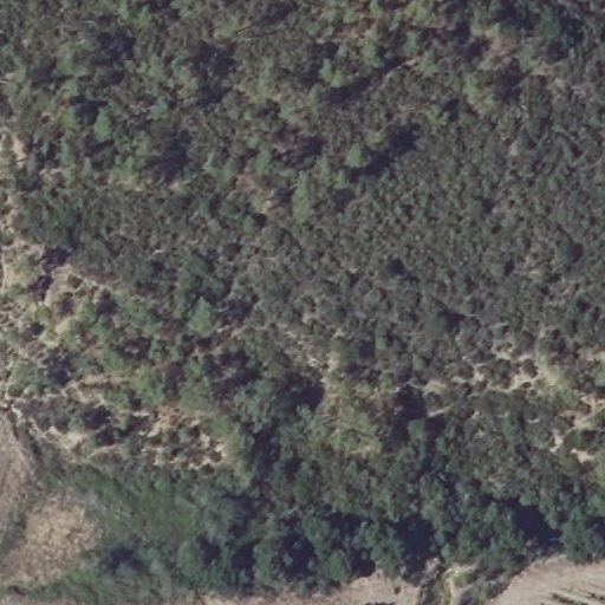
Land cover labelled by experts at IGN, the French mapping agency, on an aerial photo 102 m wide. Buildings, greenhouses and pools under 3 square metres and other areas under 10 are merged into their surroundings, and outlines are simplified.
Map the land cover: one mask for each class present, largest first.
<instances>
[{"label":"brushwood","instance_id":"1","mask_svg":"<svg viewBox=\"0 0 605 605\"><path fill-rule=\"evenodd\" d=\"M0 414L5 418L14 414L19 425L28 423L38 442L59 444L66 463L85 466L80 473L64 477L69 487H73L78 494H97L99 499L85 513V518L102 529V539L95 548L80 553L83 560L102 565L111 558L116 548H128L142 558L149 548H158V541H165L175 551H180L182 541H189L194 546L203 534L215 544L227 541L232 555L241 546H258L260 541L269 544L277 551L281 546V536H286V518H303L307 510L314 508L317 518L326 520L340 534H354L357 527H392L395 536L402 541V558L406 565L404 579L418 588V605H447L449 588L444 584V574L449 567L442 555V548L449 546L454 555L458 551V532L466 520V515H461L458 499H463L470 501V508L496 506L499 513L510 510L515 529L522 532L520 544L527 546L525 555L513 558L510 570L492 567L487 562L473 570L468 574H461L456 581L458 591L463 593L458 605H489L510 586V581L518 574L525 572L529 562L562 553L560 534L548 527L539 510L541 480H558L560 489L577 501H586L598 487L605 489V0H0Z\"/></svg>","mask_w":605,"mask_h":605},{"label":"deciduous trees","instance_id":"2","mask_svg":"<svg viewBox=\"0 0 605 605\"><path fill-rule=\"evenodd\" d=\"M539 510L548 527L560 534L562 553L574 565H591L605 560V489L598 487L586 501H577L560 489L558 480H541ZM461 515H466V520L458 532V551L454 555L449 546L442 548V555L449 567L470 562L473 570L487 562L492 567L510 570L513 558L525 555L527 546L520 544L522 532L515 529L510 510L499 513L496 506L470 508V501L463 499H458ZM373 570L383 572L388 579H404L406 565L402 558V541L395 536L392 527H357L354 534H340L326 520L317 518L314 508L307 510L303 518H286V536H281V546L277 551L269 544L260 541L258 546H241L232 555L227 541L215 544L203 534L194 546L189 541H182L180 551H175L165 541H158V548H149L142 558L128 548H116L111 558L102 565L83 560L80 553L73 555L61 579L43 586H24V600H69L73 605H132L137 598L144 600L149 598V593H158L161 586H168L170 581L173 586L189 588L191 593H217L220 598L232 600L253 598L255 584L274 586L277 581H288L291 591L298 598L307 600L314 591L331 596L333 591L352 584L359 577L373 574Z\"/></svg>","mask_w":605,"mask_h":605},{"label":"herbaceous vegetation","instance_id":"3","mask_svg":"<svg viewBox=\"0 0 605 605\"><path fill-rule=\"evenodd\" d=\"M85 466L66 463L59 444L38 442L28 423L19 425L14 414L5 418L0 414V605H73L69 600H24V586H43L61 579L73 555L80 553L95 548L102 539V529L85 518V513L99 499L97 494H78L73 487H69L64 477L80 473ZM132 605H418V588L404 579H388L383 572L373 570V574L359 577L352 584L333 591L331 596L314 591L307 600L298 598L291 591L288 581H277L274 586L255 584L253 598L232 600L220 598L217 593H191L189 588L173 586L170 581L168 586H161L158 593H149V598L144 600L137 598Z\"/></svg>","mask_w":605,"mask_h":605},{"label":"vineyard","instance_id":"4","mask_svg":"<svg viewBox=\"0 0 605 605\"><path fill-rule=\"evenodd\" d=\"M489 605H605V560L591 565H574L562 553L529 562L525 572L518 574L510 581V586ZM473 570L470 562L449 567L444 574V584L449 588L447 605H458L463 593L458 591L456 581L461 574H468Z\"/></svg>","mask_w":605,"mask_h":605}]
</instances>
